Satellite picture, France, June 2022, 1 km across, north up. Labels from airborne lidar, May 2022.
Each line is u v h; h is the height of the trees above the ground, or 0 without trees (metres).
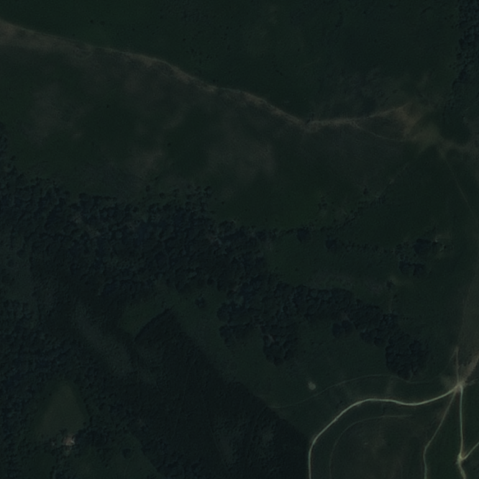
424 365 21
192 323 0
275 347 29
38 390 19
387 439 0
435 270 0
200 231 30
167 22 0
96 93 0
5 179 30
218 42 0
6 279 22
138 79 0
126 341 12
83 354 23
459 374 0
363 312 32
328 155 0
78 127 0
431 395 0
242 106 0
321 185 0
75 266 24
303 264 0
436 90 0
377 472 0
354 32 0
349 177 0
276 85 0
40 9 0
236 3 0
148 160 0
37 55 0
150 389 11
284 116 0
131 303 18
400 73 0
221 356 0
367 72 0
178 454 18
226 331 26
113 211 26
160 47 0
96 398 15
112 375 7
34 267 14
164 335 12
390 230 0
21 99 0
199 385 9
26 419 7
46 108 0
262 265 20
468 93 0
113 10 0
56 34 0
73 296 8
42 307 7
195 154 0
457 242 0
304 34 0
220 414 8
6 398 32
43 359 27
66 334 11
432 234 0
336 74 0
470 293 0
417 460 0
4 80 0
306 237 33
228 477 14
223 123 0
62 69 0
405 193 0
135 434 15
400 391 0
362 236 0
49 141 0
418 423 0
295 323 23
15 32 0
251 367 0
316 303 38
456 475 0
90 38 0
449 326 0
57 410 0
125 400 17
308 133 0
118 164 0
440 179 0
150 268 21
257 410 11
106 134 0
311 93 0
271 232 6
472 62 6
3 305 7
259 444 7
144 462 0
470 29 10
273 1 0
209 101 0
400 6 0
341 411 0
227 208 0
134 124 0
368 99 0
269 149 0
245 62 0
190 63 0
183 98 0
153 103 0
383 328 31
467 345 0
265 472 7
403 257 8
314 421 0
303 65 0
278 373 0
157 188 0
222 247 33
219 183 0
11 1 0
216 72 0
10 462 10
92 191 0
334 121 0
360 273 0
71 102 0
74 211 27
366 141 0
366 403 0
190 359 13
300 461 12
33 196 26
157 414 13
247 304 31
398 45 0
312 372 0
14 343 32
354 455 0
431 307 0
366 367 0
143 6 0
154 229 28
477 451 0
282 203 0
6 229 21
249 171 0
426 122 0
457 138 0
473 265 0
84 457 13
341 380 0
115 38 0
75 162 0
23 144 0
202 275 27
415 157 0
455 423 0
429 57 0
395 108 0
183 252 24
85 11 0
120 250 28
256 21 0
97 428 12
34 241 24
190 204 18
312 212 0
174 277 25
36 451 9
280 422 9
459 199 0
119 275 28
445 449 0
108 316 8
